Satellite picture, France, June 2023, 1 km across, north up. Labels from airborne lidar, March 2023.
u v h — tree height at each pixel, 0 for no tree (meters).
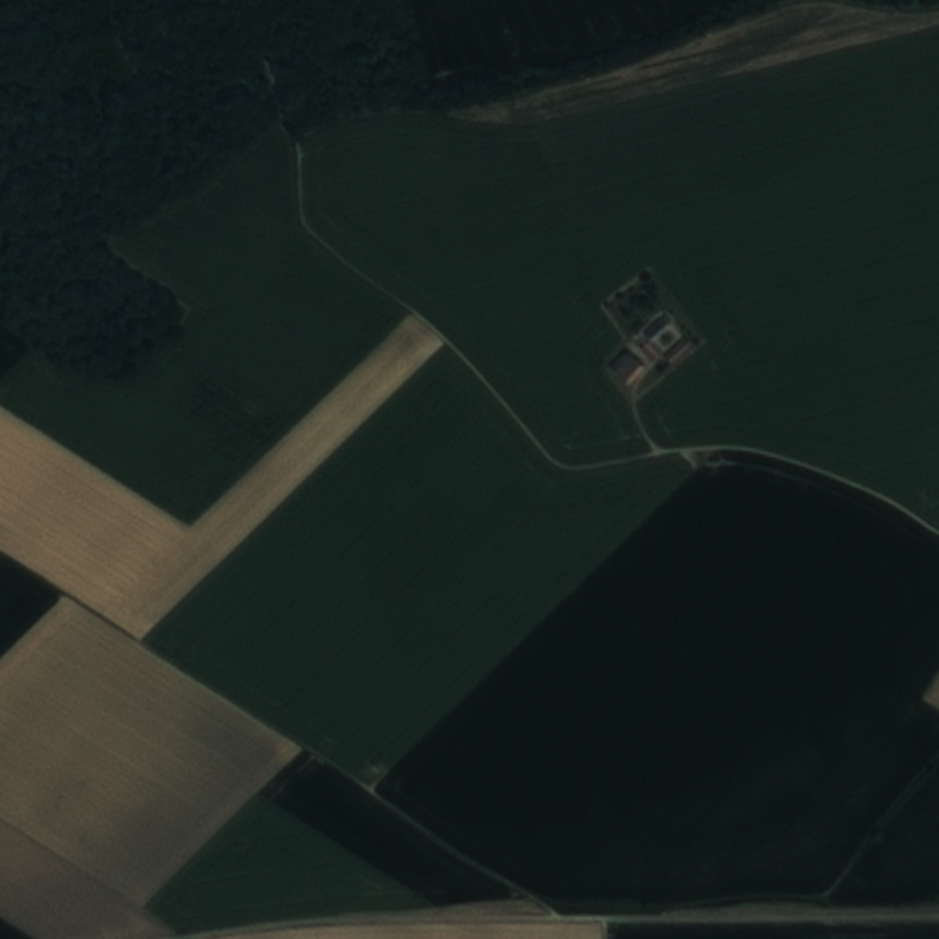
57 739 0
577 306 0
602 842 0
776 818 0
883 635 0
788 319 0
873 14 0
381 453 0
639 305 8
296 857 0
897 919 0
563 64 6
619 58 14
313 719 0
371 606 0
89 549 0
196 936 0
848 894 0
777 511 0
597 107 0
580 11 0
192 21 21
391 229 0
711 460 0
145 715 0
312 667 0
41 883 0
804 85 0
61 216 25
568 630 0
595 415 0
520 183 0
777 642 0
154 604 0
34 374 0
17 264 23
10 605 0
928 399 0
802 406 0
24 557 0
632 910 0
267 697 0
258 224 0
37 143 29
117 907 0
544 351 0
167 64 22
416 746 0
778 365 0
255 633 0
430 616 0
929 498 0
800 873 0
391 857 0
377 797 0
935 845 0
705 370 0
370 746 0
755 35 0
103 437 0
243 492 0
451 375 0
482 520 0
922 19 0
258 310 0
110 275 23
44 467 0
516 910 0
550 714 0
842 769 0
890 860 0
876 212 0
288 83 26
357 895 0
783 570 0
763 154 0
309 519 0
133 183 22
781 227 0
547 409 0
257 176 0
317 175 0
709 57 0
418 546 0
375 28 17
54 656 0
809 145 0
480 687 0
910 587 0
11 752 0
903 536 0
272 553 0
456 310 0
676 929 0
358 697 0
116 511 0
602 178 0
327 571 0
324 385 0
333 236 0
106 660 0
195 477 0
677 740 0
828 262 0
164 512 0
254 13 23
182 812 0
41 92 22
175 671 0
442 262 0
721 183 0
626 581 0
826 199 0
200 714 0
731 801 0
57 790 0
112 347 23
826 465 0
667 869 0
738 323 0
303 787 0
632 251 0
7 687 0
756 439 0
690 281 0
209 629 0
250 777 0
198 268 0
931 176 0
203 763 0
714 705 0
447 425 0
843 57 0
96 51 0
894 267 0
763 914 0
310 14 20
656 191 0
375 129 0
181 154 24
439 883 0
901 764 0
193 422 0
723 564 0
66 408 0
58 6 25
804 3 0
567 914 0
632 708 0
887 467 0
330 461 0
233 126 21
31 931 0
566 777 0
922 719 0
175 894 0
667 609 0
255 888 0
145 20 24
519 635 0
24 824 0
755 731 0
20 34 24
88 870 0
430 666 0
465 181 0
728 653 0
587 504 0
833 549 0
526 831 0
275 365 0
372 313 0
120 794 0
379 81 21
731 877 0
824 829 0
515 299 0
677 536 0
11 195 21
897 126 0
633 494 0
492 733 0
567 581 0
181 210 0
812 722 0
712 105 0
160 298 23
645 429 0
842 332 0
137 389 0
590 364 0
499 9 0
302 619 0
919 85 0
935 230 0
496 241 0
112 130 24
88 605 0
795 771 0
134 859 0
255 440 0
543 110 0
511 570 0
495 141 0
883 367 0
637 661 0
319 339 0
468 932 0
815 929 0
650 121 0
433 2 0
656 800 0
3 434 0
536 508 0
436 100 19
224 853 0
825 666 0
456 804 0
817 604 0
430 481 0
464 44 0
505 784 0
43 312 19
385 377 0
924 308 0
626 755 0
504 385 0
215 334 0
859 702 0
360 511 0
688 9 0
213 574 0
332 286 0
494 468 0
